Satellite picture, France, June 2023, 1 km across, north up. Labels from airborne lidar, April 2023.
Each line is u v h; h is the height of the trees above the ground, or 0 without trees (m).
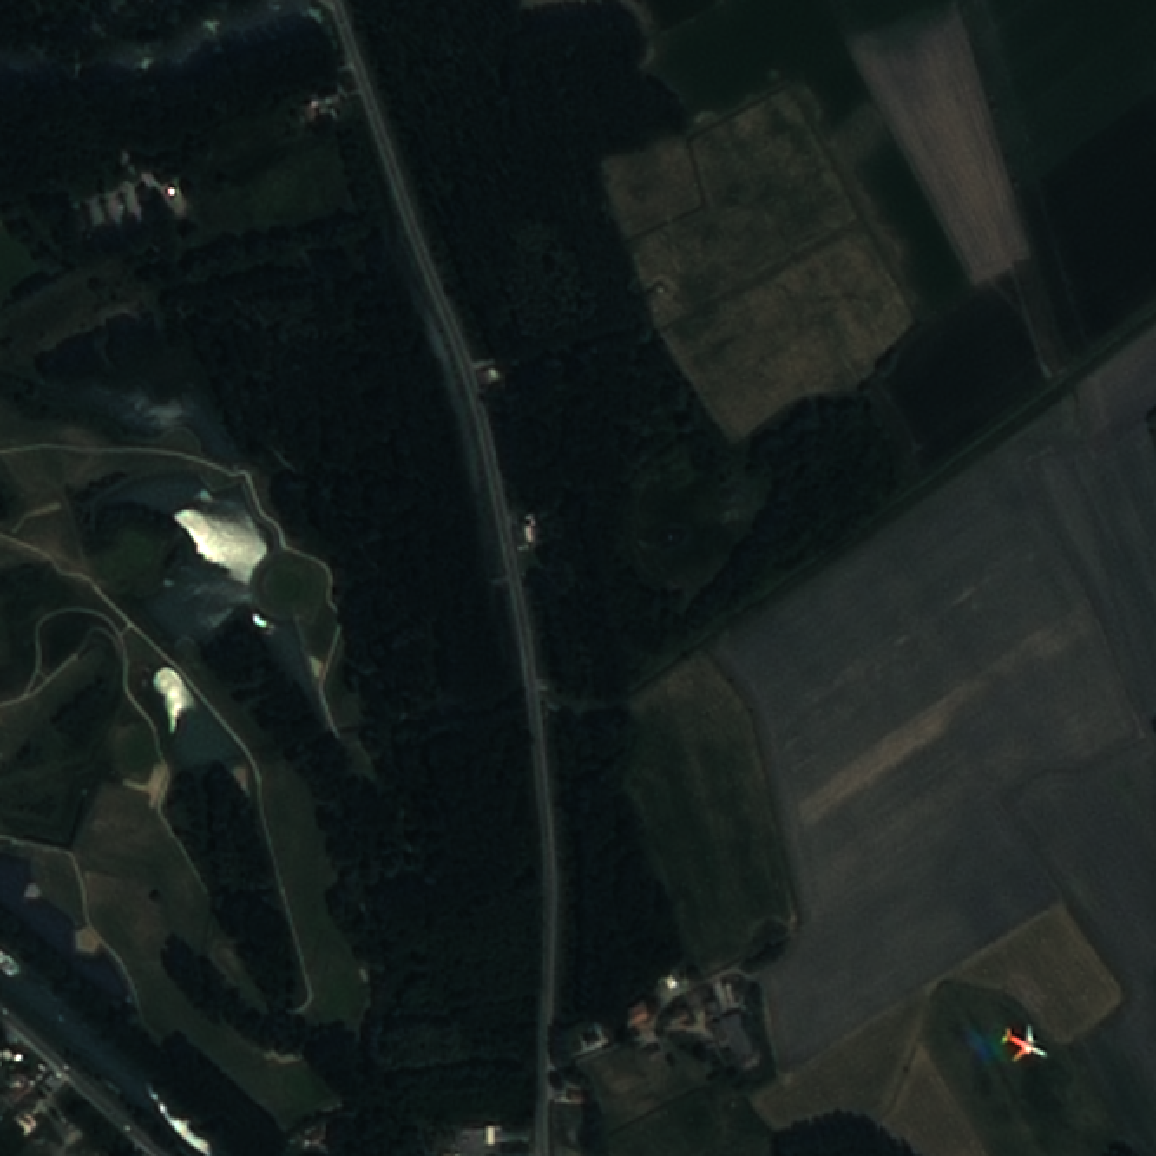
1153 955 0
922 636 0
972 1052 0
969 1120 0
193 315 7
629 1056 0
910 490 0
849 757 0
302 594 0
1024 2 0
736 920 0
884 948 0
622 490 17
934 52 0
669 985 0
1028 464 0
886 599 0
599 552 14
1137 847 0
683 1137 0
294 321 24
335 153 0
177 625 0
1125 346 0
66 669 0
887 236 0
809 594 0
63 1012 0
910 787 0
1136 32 0
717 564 0
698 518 0
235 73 29
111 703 0
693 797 0
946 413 0
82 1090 0
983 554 0
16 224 19
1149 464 0
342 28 0
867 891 0
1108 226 0
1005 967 0
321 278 23
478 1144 0
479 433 0
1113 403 0
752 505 0
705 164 0
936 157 0
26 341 0
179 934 0
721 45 0
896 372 0
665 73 0
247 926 26
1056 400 0
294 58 32
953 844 0
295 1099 0
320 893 0
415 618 29
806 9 0
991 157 0
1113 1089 0
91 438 0
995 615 0
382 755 18
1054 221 0
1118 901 0
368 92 0
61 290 0
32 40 21
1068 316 0
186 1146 0
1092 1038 0
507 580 0
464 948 19
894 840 0
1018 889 0
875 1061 0
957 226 0
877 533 0
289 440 24
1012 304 0
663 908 25
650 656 10
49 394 0
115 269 0
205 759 0
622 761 22
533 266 22
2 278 0
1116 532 0
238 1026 21
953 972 0
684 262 0
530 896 20
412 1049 19
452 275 10
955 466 0
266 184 0
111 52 0
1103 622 0
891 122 0
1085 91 0
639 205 0
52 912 0
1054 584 0
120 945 0
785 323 0
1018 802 0
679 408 7
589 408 22
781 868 0
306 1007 0
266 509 0
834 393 0
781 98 0
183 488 0
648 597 16
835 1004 0
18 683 0
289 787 0
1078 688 0
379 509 29
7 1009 0
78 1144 0
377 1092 13
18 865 0
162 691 0
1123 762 0
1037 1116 0
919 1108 0
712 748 0
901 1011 0
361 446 8
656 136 0
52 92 30
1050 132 0
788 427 12
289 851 0
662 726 0
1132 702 0
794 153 0
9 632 0
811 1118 0
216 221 0
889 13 0
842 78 0
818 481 16
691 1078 0
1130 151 0
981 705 0
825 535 15
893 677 0
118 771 0
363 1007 0
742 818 0
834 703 0
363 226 9
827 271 0
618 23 28
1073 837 0
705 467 9
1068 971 0
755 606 0
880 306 0
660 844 0
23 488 0
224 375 23
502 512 0
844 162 0
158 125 26
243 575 0
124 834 0
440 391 28
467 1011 13
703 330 0
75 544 0
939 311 0
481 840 29
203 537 0
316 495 25
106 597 0
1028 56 0
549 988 0
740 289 0
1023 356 0
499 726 18
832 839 0
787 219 0
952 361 0
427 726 13
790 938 0
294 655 0
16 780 0
